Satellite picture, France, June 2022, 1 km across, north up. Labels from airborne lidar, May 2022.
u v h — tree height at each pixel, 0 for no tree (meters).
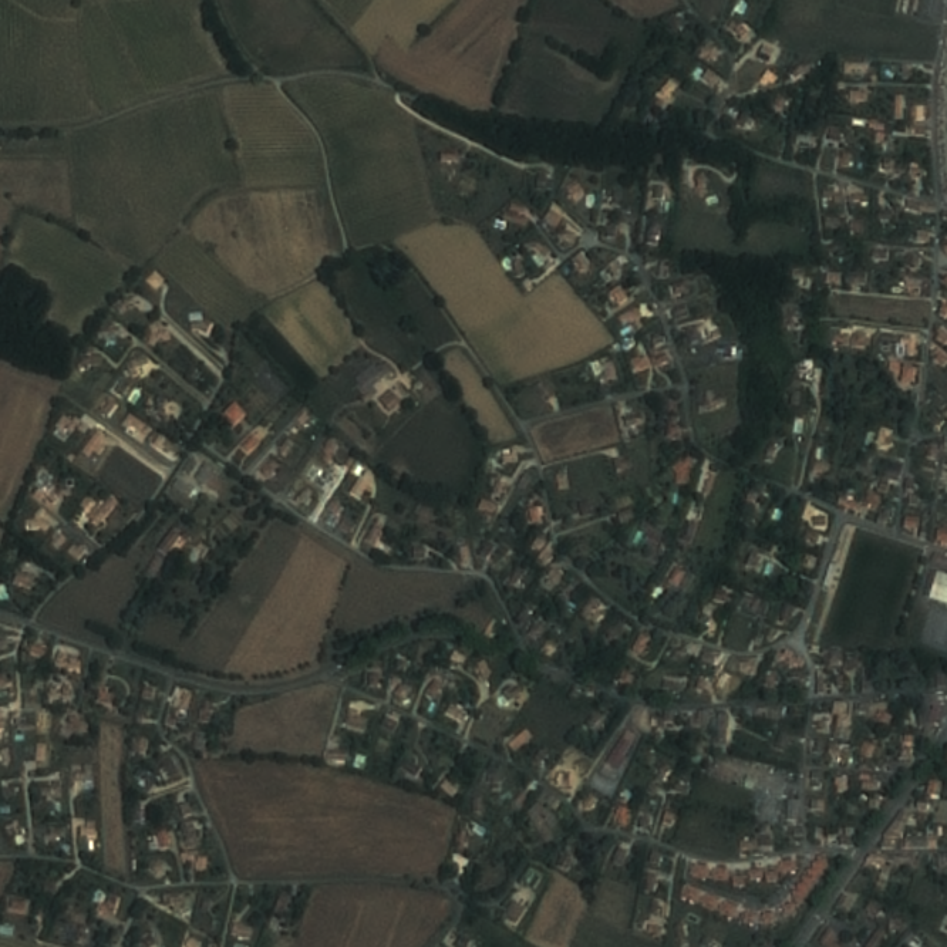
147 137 0
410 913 0
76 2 11
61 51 0
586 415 0
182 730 7
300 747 0
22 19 0
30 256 0
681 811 7
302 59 0
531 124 15
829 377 14
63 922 10
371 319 0
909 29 0
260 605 0
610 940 0
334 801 0
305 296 0
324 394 0
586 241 0
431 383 0
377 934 0
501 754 9
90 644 0
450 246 0
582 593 13
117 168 0
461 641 23
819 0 0
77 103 0
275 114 0
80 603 0
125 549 10
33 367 12
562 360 0
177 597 10
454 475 0
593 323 0
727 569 7
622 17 17
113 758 0
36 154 0
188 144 0
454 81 0
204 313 0
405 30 0
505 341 0
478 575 0
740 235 13
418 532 10
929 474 0
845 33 0
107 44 0
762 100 12
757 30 9
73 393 0
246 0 0
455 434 0
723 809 7
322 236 0
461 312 0
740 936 0
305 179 0
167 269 0
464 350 0
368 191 0
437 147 0
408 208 0
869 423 7
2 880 0
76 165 0
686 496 7
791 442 7
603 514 16
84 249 0
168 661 12
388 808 0
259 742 0
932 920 0
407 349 0
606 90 0
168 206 0
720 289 8
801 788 0
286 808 0
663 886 6
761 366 11
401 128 0
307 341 0
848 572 0
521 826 7
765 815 0
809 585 16
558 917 0
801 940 0
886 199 7
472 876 10
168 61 0
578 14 0
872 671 9
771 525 10
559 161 19
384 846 0
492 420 0
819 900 21
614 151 20
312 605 0
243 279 0
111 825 0
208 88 0
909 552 0
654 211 9
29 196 0
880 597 0
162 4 0
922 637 0
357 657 19
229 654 0
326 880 0
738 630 0
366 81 0
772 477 8
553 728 0
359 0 0
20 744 0
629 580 15
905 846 0
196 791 0
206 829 9
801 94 9
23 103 0
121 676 0
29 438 0
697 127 13
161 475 0
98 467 0
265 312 0
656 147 11
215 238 0
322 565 0
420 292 0
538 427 0
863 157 8
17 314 19
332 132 0
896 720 7
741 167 14
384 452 0
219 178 0
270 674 8
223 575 12
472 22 0
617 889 0
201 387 9
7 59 0
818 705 6
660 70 11
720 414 0
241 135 0
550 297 0
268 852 0
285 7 0
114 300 12
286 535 0
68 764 0
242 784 0
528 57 0
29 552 10
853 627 0
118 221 0
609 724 8
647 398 11
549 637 6
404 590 0
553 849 10
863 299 0
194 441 12
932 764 15
